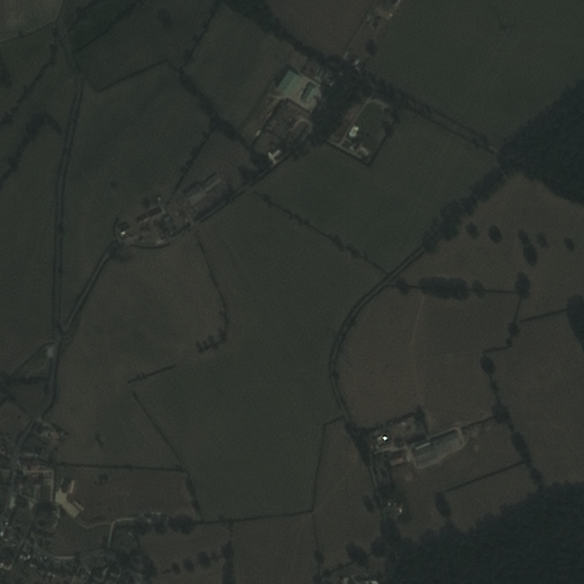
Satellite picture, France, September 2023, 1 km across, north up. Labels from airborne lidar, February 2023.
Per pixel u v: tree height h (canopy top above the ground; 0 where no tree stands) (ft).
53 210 0
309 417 0
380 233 0
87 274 0
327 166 0
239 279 0
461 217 45
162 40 0
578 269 0
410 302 0
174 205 0
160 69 0
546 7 0
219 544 0
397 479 0
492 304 0
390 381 0
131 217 0
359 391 0
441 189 0
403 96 35
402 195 0
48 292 0
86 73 0
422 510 0
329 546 0
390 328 0
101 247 0
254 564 0
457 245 0
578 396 0
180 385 0
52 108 0
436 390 0
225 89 0
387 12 0
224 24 0
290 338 0
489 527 64
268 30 41
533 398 0
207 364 0
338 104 65
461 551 67
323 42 0
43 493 0
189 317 0
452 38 0
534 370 0
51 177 0
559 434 0
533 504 62
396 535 48
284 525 0
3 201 0
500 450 0
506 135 0
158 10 0
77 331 0
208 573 0
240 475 0
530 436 0
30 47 0
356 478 0
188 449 0
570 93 62
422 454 0
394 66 0
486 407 0
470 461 0
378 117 0
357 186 0
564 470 0
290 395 0
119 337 0
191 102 0
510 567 64
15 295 0
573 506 69
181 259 0
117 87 0
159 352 0
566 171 69
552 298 0
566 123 74
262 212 0
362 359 0
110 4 0
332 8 0
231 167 0
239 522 0
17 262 0
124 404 0
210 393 0
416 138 0
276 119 0
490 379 0
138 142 0
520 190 0
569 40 0
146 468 0
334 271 0
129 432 0
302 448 0
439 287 70
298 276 0
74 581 0
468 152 0
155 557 0
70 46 0
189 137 0
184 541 0
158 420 0
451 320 0
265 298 0
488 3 0
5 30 0
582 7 0
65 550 0
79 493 0
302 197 0
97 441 45
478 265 0
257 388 0
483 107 0
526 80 0
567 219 0
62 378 0
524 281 57
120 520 0
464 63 0
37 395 0
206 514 0
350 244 0
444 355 0
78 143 0
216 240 0
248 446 0
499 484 0
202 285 0
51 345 0
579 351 0
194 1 0
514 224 0
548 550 85
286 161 0
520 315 0
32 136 30
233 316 0
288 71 0
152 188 0
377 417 0
